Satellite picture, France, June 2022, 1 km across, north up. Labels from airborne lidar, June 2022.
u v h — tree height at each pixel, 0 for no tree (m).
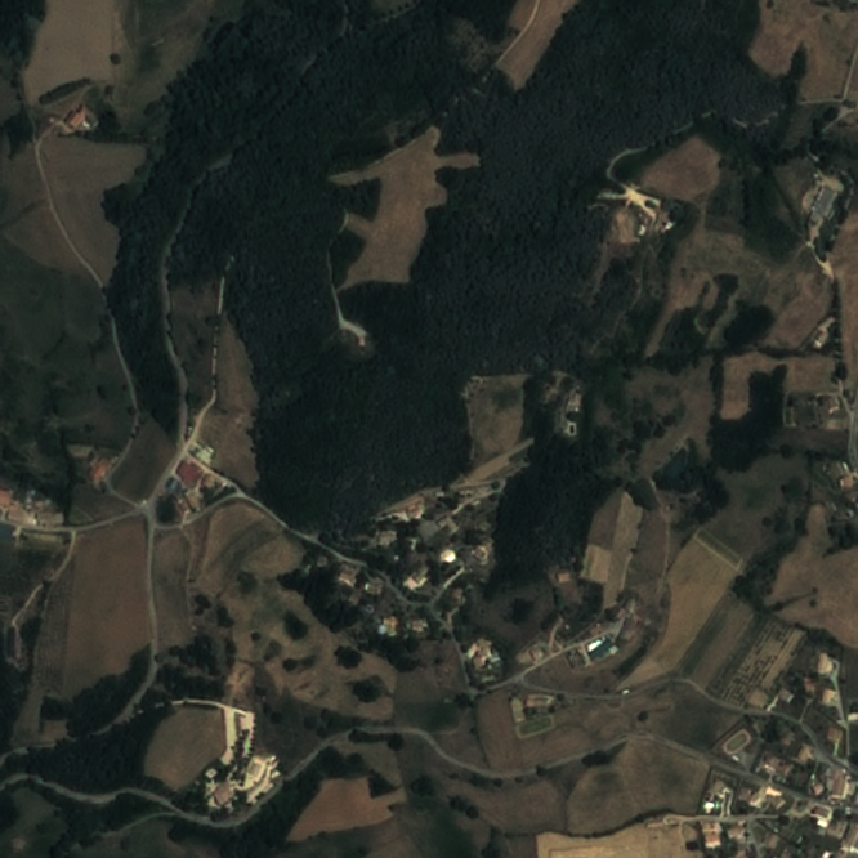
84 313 0
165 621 0
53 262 0
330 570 7
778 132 9
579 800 0
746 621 0
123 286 11
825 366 0
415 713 0
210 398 0
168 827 0
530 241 18
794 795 0
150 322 6
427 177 0
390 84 15
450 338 14
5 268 0
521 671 0
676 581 0
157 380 7
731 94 11
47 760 15
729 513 0
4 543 0
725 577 0
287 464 12
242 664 0
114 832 14
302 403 13
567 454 13
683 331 6
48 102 7
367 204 14
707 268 0
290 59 19
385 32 11
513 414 0
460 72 12
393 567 6
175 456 0
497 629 0
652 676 0
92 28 0
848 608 0
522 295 12
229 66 11
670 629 0
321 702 0
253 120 17
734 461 7
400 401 15
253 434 9
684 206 7
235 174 15
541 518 13
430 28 18
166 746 0
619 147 9
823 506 0
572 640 0
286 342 15
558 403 11
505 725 0
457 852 0
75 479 6
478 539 8
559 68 11
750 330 10
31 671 9
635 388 0
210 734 0
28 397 0
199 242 13
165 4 0
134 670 8
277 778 0
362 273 0
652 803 0
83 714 6
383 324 8
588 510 15
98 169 0
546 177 13
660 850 0
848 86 0
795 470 0
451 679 0
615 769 0
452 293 15
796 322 0
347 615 10
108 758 18
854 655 0
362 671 0
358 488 12
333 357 6
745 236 0
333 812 0
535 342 16
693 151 0
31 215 0
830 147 25
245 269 11
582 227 10
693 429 0
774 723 6
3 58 0
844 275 0
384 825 0
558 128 14
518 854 0
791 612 0
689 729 0
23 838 0
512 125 17
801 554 0
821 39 0
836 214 9
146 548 0
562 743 0
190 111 20
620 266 13
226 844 9
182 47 0
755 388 11
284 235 17
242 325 14
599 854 0
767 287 0
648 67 12
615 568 0
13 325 0
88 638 0
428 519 11
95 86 0
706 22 9
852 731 0
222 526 0
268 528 0
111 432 0
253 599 0
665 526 0
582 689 0
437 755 0
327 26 18
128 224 12
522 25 0
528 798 0
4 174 0
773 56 0
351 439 13
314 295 17
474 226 13
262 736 0
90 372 0
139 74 0
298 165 18
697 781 0
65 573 0
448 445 10
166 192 16
